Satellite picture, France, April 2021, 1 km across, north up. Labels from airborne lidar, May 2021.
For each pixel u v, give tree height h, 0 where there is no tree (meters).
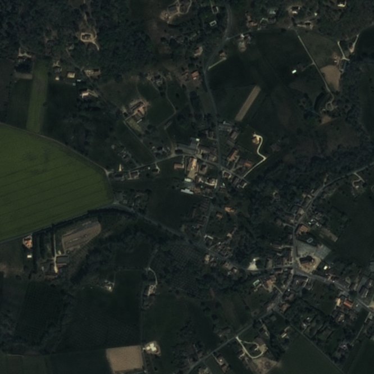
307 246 0
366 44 0
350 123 20
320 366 0
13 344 16
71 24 13
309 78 0
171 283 16
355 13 16
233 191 13
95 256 25
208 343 0
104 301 0
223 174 9
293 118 0
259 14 18
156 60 13
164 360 0
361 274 6
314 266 0
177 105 0
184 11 11
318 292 0
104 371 0
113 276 0
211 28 13
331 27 13
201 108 28
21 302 0
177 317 0
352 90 19
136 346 0
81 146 0
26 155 0
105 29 13
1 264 0
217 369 0
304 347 0
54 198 0
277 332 9
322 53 0
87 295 0
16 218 0
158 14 0
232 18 0
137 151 0
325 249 0
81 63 12
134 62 20
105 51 22
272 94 0
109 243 22
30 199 0
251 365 0
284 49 0
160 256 10
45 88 0
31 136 0
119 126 0
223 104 0
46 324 12
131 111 12
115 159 0
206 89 7
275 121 0
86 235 0
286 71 0
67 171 0
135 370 6
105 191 0
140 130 0
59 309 15
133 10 0
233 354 0
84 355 0
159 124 0
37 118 0
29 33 24
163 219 0
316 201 7
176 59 21
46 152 0
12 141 0
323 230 0
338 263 16
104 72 20
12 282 0
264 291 0
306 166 18
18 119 0
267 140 0
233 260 8
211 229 0
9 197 0
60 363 0
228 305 0
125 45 15
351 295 14
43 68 0
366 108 0
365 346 0
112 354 0
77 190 0
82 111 18
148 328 0
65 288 24
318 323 16
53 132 0
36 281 0
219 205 10
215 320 17
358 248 0
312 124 22
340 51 0
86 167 0
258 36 0
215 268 14
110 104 15
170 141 0
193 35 8
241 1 22
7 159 0
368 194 0
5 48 6
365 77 0
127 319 0
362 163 15
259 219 32
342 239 0
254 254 16
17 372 0
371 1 14
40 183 0
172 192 0
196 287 19
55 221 0
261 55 0
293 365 0
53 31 13
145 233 18
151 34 0
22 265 0
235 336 0
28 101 0
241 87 0
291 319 12
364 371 0
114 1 6
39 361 0
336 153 7
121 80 22
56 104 0
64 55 16
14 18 20
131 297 0
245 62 0
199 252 22
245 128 0
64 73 0
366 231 0
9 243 0
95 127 8
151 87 0
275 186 19
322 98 13
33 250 7
